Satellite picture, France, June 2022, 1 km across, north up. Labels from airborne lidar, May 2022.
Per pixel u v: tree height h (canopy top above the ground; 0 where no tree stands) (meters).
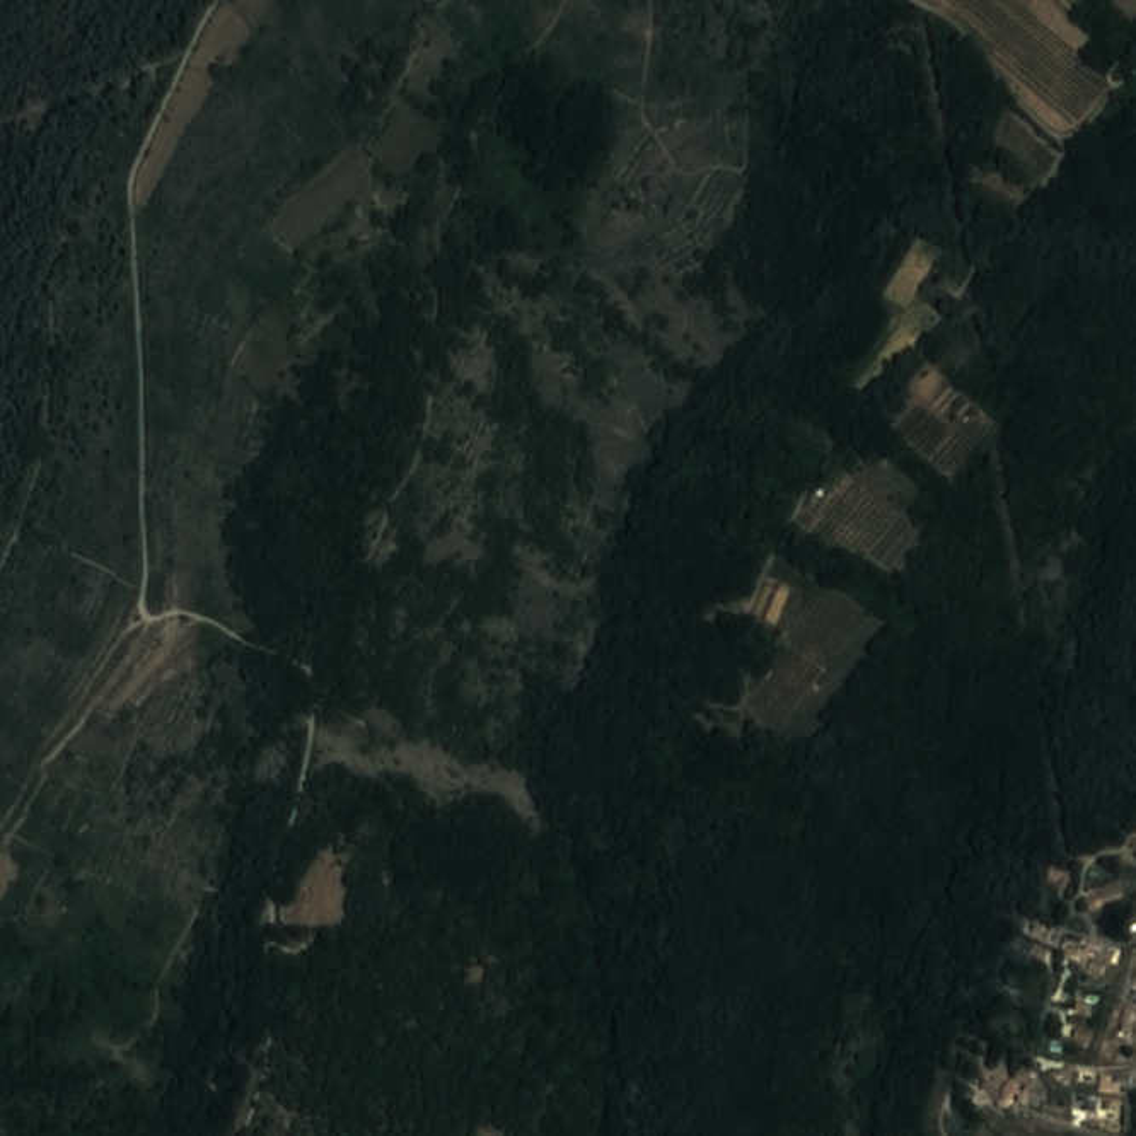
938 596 10
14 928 10
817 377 15
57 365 10
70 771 0
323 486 16
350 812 10
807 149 17
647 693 12
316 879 0
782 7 7
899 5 7
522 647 7
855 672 10
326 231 9
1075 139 7
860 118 22
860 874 14
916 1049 16
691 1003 12
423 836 8
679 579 12
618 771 11
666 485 16
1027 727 21
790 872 13
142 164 0
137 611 0
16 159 23
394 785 6
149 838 7
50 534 10
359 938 11
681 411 12
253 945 15
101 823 0
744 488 12
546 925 10
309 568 8
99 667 0
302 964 12
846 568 10
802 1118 15
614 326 9
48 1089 11
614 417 0
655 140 0
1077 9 7
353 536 10
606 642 14
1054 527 11
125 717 6
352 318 8
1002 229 15
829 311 14
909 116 20
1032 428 14
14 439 11
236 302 0
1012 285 10
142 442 0
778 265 13
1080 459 10
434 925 12
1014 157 10
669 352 8
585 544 0
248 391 0
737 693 14
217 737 10
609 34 8
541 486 10
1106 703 16
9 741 0
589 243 0
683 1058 8
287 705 13
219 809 8
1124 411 16
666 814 11
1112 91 9
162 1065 12
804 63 9
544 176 17
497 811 9
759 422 8
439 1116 12
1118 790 12
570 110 16
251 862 12
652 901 13
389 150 0
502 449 7
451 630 11
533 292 17
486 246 9
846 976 13
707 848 15
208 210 0
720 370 12
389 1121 9
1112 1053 0
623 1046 17
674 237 0
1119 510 15
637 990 11
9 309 13
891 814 13
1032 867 14
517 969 12
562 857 8
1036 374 16
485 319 6
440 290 10
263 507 15
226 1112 17
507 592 7
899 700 7
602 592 11
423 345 9
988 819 12
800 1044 13
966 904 11
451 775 6
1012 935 11
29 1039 12
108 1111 10
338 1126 13
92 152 9
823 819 13
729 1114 9
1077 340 13
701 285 10
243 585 9
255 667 12
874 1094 10
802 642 0
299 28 0
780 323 21
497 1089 14
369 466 9
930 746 14
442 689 10
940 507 6
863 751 9
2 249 22
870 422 17
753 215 12
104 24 18
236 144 0
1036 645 16
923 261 0
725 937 11
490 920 16
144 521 0
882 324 13
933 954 12
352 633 12
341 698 8
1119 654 15
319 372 10
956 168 12
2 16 17
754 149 9
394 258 11
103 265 6
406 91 7
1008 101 10
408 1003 10
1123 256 23
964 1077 7
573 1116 14
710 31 7
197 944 8
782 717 0
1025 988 10
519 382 7
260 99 0
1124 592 25
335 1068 11
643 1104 7
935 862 17
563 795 12
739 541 8
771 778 9
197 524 0
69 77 21
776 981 12
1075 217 17
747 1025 10
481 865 8
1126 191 17
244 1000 17
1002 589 8
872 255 11
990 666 14
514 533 7
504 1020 8
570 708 11
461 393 6
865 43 9
